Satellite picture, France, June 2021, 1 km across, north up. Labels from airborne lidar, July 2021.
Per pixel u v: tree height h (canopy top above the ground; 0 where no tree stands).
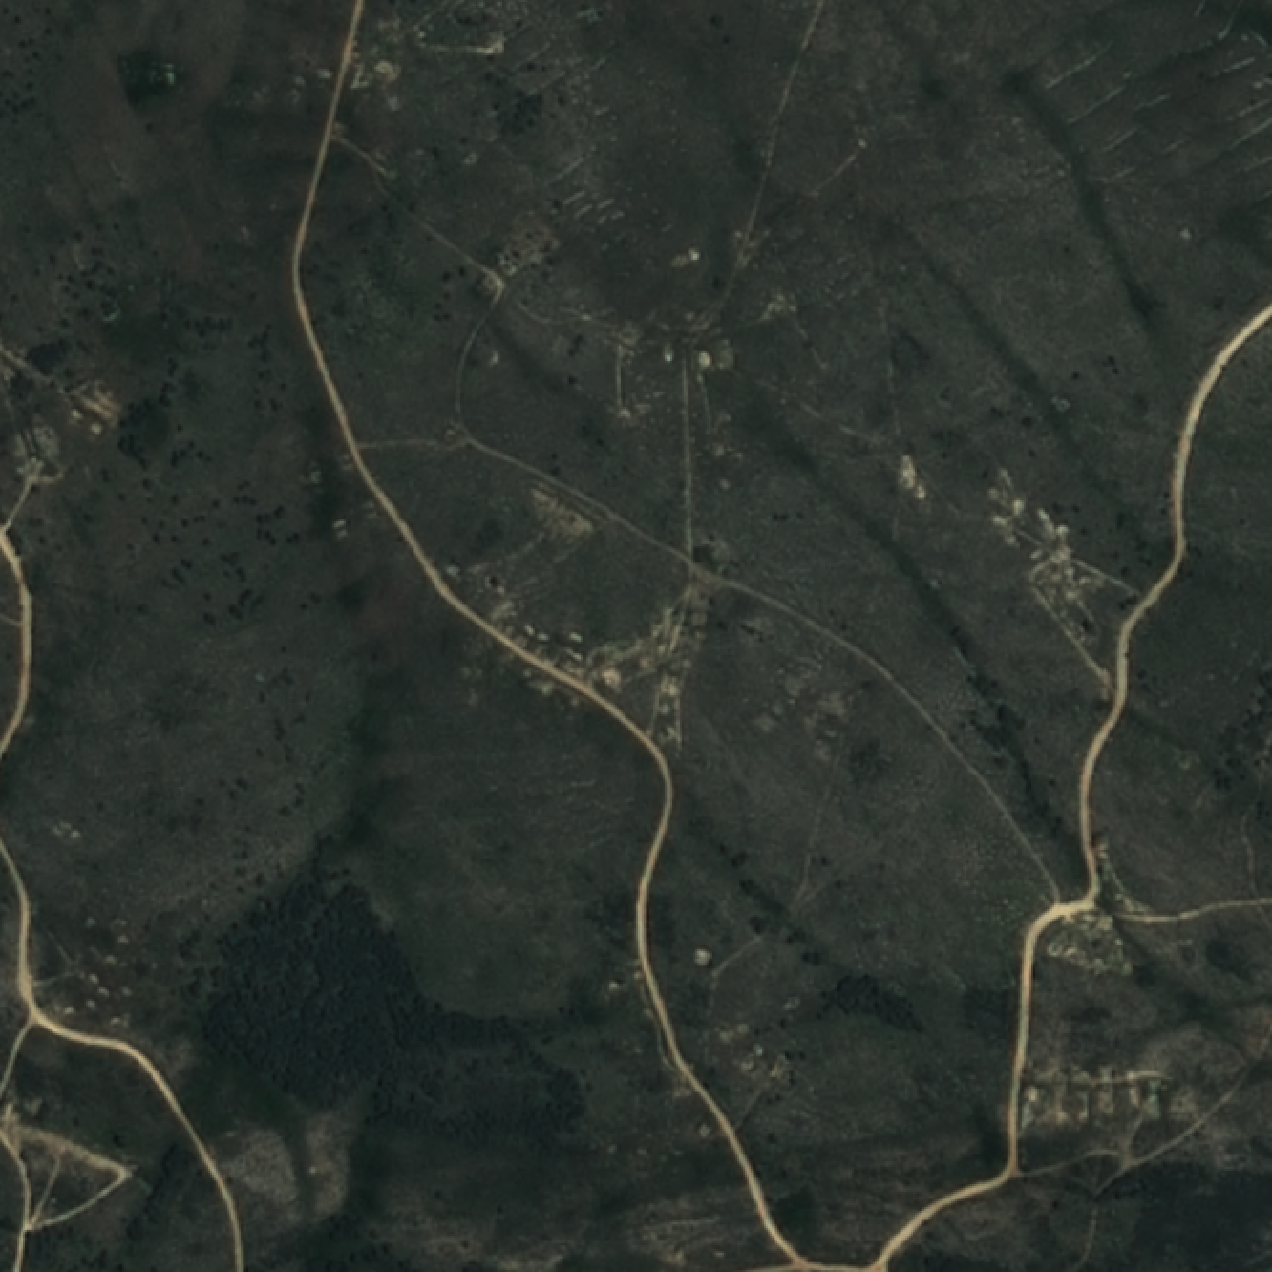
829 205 0
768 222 0
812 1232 0
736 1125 0
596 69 0
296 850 0
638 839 0
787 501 0
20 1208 0
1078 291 0
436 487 0
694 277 0
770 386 0
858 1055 0
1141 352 0
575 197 0
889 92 0
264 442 0
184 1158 6
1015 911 0
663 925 0
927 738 0
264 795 0
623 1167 0
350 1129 0
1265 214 0
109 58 0
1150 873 0
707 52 0
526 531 0
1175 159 0
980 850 0
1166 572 0
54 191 0
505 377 0
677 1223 0
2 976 0
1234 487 0
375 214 0
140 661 0
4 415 0
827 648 0
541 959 0
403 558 0
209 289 0
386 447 0
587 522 0
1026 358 0
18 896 0
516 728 0
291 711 0
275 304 0
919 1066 0
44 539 9
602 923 0
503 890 0
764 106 0
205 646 0
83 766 0
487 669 0
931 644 0
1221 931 0
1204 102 0
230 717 0
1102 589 0
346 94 0
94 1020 0
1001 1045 0
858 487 0
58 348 6
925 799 0
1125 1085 0
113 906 0
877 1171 0
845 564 0
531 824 0
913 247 0
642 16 0
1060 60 0
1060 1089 0
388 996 9
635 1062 0
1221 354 0
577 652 0
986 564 0
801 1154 0
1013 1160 0
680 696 0
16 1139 0
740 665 0
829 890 0
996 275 0
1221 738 0
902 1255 0
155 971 0
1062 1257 0
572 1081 6
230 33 0
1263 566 0
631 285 0
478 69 0
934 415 0
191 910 0
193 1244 0
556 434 0
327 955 10
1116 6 0
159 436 0
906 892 0
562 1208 0
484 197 0
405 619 0
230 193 0
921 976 0
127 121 0
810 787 0
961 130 0
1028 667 0
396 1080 8
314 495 0
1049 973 0
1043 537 0
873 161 0
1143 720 0
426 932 0
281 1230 0
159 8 0
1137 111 0
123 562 0
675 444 0
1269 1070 0
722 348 0
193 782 0
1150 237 0
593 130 0
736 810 0
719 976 0
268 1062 8
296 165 0
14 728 0
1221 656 0
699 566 0
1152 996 0
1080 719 0
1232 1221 0
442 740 0
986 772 0
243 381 0
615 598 0
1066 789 0
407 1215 0
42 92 0
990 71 0
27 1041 0
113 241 0
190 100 0
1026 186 0
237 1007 8
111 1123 0
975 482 0
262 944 8
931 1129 0
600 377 0
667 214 0
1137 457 0
